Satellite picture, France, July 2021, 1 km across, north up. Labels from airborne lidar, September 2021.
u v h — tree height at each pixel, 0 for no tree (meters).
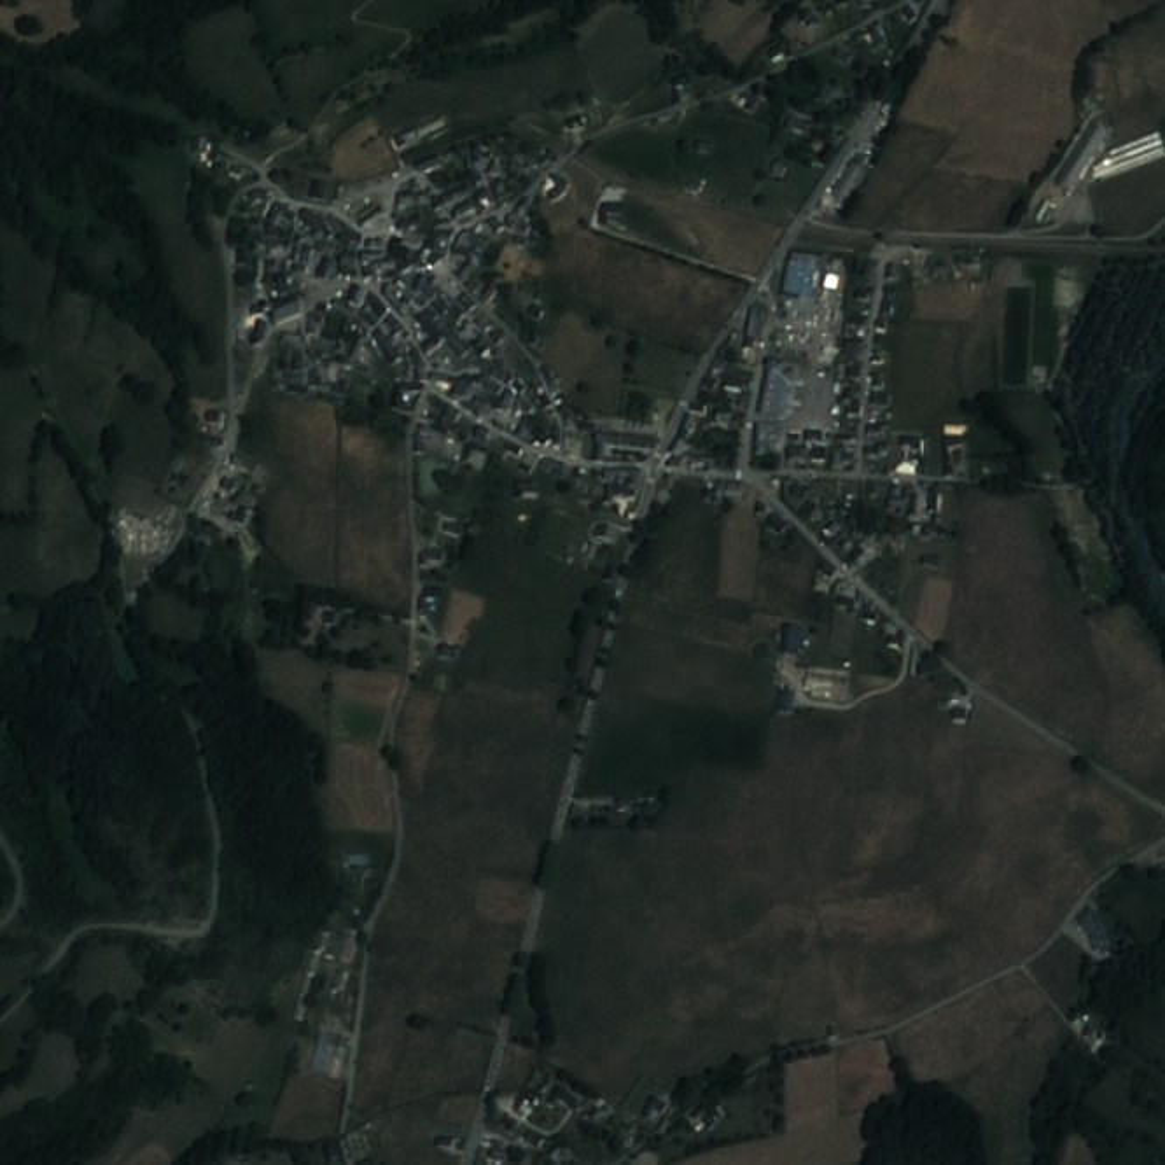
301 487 0
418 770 0
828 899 0
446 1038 0
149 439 0
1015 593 0
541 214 8
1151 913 0
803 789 0
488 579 0
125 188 13
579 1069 0
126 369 14
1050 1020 0
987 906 0
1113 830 0
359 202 0
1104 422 14
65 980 12
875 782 0
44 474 0
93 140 11
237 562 0
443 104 0
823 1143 0
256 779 22
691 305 0
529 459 0
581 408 6
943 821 0
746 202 0
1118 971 10
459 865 0
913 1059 0
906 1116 11
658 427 0
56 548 0
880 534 5
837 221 0
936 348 0
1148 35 0
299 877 13
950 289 0
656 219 0
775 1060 10
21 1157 11
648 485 0
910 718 0
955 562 0
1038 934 0
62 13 0
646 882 0
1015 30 0
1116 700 0
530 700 0
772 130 5
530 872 0
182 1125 0
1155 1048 0
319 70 0
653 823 13
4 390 0
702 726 0
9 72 11
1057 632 0
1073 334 12
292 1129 0
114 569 13
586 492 0
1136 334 13
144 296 16
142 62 7
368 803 0
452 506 0
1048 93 0
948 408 0
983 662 0
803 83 12
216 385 0
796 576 0
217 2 17
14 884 9
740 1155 0
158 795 7
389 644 0
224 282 0
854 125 0
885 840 0
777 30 15
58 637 23
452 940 0
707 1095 11
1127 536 21
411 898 0
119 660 0
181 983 17
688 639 0
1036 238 0
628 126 0
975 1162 15
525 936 0
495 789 0
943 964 0
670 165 0
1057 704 0
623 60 0
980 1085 0
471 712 0
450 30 18
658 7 13
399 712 0
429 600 0
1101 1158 9
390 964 0
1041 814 0
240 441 8
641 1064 0
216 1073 0
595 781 0
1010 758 0
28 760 17
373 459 0
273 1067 0
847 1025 0
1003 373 0
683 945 0
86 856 10
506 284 10
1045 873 0
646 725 0
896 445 0
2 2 12
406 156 8
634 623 0
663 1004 0
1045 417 0
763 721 0
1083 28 0
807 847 0
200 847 7
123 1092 12
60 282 8
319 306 7
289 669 0
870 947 0
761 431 0
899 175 0
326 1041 0
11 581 0
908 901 0
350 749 0
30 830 10
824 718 0
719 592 0
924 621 0
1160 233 0
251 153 0
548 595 0
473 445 6
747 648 0
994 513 0
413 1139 0
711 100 6
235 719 23
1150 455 18
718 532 0
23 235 8
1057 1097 10
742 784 0
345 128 0
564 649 0
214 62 0
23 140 14
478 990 0
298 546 0
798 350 0
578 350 0
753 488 0
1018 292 0
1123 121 0
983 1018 0
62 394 0
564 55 0
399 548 0
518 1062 0
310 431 0
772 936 0
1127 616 0
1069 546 11
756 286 0
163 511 0
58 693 18
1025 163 0
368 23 0
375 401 14
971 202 0
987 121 0
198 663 21
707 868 0
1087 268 0
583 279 0
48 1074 0
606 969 0
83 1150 11
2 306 9
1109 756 0
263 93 0
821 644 0
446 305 0
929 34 14
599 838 0
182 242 0
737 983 0
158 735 16
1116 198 0
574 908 0
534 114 0
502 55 11
